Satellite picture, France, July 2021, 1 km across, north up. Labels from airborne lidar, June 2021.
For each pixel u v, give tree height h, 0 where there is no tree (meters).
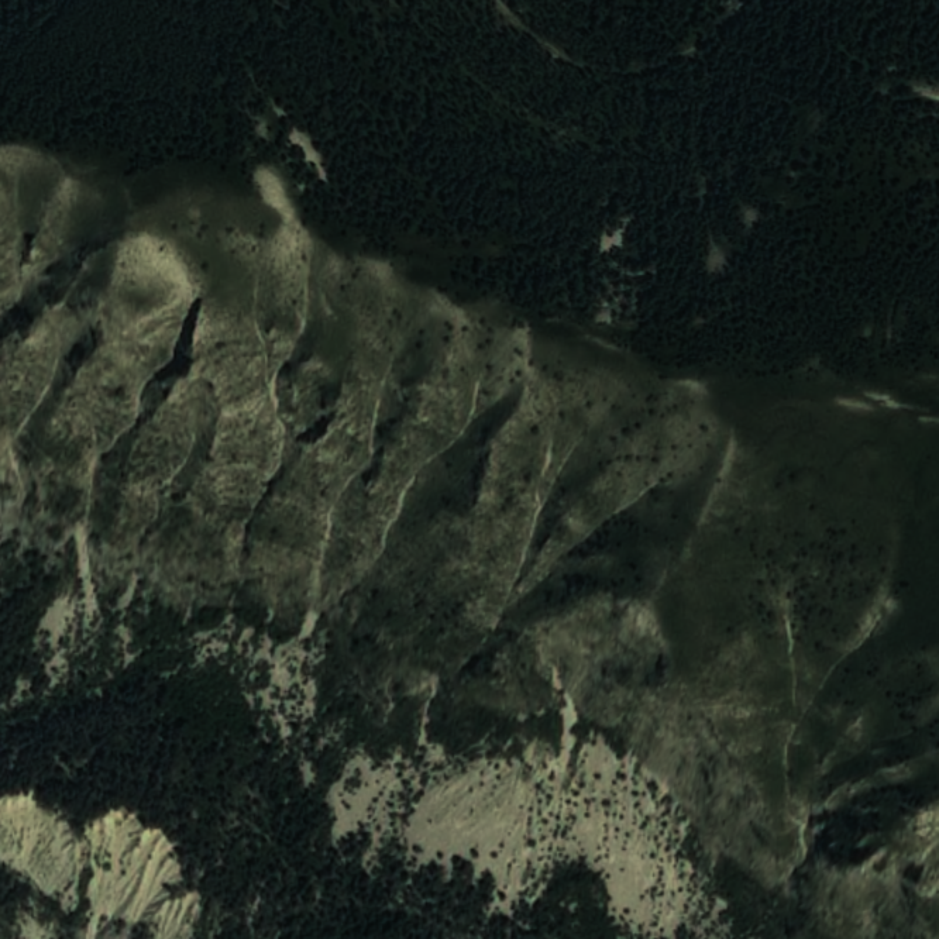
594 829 0
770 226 7
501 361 0
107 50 23
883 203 6
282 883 10
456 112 21
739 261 10
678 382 0
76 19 18
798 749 0
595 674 0
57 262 0
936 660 0
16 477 0
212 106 12
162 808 16
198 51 22
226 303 0
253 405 0
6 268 0
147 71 18
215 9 25
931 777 0
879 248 8
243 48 12
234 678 6
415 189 12
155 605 9
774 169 6
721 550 0
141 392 0
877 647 0
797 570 6
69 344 0
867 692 0
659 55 17
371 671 7
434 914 15
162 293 0
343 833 0
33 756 13
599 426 0
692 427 0
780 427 0
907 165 7
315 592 0
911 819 0
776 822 0
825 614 9
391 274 0
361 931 16
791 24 9
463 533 0
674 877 0
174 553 0
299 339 0
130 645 6
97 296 0
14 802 0
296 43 16
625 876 0
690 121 19
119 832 0
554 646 0
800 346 7
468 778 0
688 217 16
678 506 0
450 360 0
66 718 13
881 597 0
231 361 0
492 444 0
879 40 13
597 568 0
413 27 20
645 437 0
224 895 8
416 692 0
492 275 13
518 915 9
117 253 0
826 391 0
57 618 0
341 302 0
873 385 0
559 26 25
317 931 12
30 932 0
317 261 0
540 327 0
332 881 11
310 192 15
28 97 17
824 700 0
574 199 23
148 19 25
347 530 0
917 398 0
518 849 0
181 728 19
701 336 6
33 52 19
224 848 13
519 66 23
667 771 0
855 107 8
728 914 6
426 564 0
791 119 14
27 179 0
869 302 7
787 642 0
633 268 14
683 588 0
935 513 0
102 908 0
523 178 22
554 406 0
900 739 0
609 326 0
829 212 9
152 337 0
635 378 0
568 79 26
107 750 20
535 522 0
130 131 8
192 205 0
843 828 0
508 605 0
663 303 9
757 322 13
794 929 12
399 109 17
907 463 0
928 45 11
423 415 0
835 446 0
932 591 0
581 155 22
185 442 0
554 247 19
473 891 13
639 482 0
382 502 0
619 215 16
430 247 0
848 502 0
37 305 0
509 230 16
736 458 0
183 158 10
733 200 12
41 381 0
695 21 14
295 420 0
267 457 0
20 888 9
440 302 0
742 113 19
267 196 0
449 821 0
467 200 18
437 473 0
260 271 0
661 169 23
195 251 0
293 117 15
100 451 0
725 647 0
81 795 18
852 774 0
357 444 0
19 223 0
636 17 13
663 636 0
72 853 0
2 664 13
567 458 0
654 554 0
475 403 0
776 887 0
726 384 0
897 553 0
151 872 0
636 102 23
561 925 9
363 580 0
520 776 0
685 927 10
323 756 7
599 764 0
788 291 10
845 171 12
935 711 0
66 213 0
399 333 0
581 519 0
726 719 0
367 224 6
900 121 6
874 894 0
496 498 0
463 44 25
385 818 0
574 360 0
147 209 0
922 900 0
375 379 0
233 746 10
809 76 13
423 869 7
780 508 0
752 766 0
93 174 0
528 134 22
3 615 14
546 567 0
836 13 18
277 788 7
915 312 7
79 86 13
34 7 8
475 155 17
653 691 0
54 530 7
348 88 17
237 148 12
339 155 9
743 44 19
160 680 9
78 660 6
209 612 8
